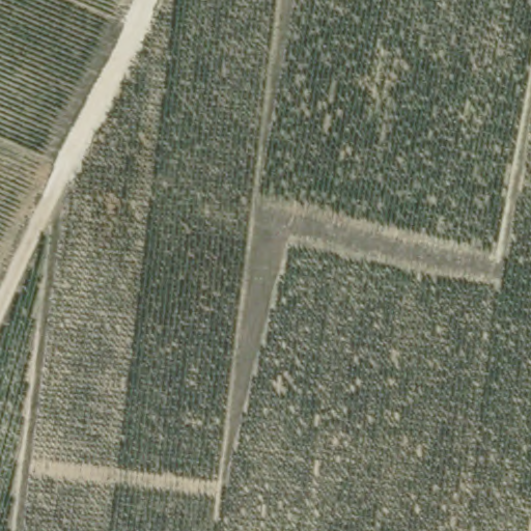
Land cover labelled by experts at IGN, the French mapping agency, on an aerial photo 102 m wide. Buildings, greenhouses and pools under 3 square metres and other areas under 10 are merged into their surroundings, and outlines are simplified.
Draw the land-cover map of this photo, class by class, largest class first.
<instances>
[{"label":"vineyard","instance_id":"1","mask_svg":"<svg viewBox=\"0 0 531 531\"><path fill-rule=\"evenodd\" d=\"M133 0H0V286L23 241V234L29 228V220L41 201L44 189L54 172L56 158L71 129L75 127L81 110L85 108L95 81L100 79L106 62L110 60L112 50L116 48L124 15L129 12ZM276 0H156L149 33L143 37L141 50L137 52L129 68V75L122 79L118 95L114 97L112 108L106 114V120L95 129L93 141L81 162V170L66 185L64 193L60 195L54 207L52 222L39 234L33 257L0 326V531H531V0H307L303 6L292 8L290 15L301 37L286 44L284 75L278 79V85L266 87L261 71L268 66L270 58Z\"/></svg>","mask_w":531,"mask_h":531},{"label":"pervious surface","instance_id":"2","mask_svg":"<svg viewBox=\"0 0 531 531\"><path fill-rule=\"evenodd\" d=\"M156 0H133L129 12L124 15L116 48L112 50L110 60L106 62L100 79L95 81L85 108L81 110L75 127L71 129L56 158L54 172L44 189L41 201L29 220V228L23 234V241L0 286V326L33 257L39 234L52 222L54 207L60 195L64 193L66 185L81 170V162L93 141L95 129L106 120V114L112 108L114 97L118 95L122 79L129 75V68L137 52L141 50L143 37L149 33Z\"/></svg>","mask_w":531,"mask_h":531},{"label":"herbaceous vegetation","instance_id":"3","mask_svg":"<svg viewBox=\"0 0 531 531\"><path fill-rule=\"evenodd\" d=\"M307 0H276L270 58L268 66L261 71L266 87L278 85V79L284 75L286 44L301 37L290 15L292 8L303 6Z\"/></svg>","mask_w":531,"mask_h":531}]
</instances>
